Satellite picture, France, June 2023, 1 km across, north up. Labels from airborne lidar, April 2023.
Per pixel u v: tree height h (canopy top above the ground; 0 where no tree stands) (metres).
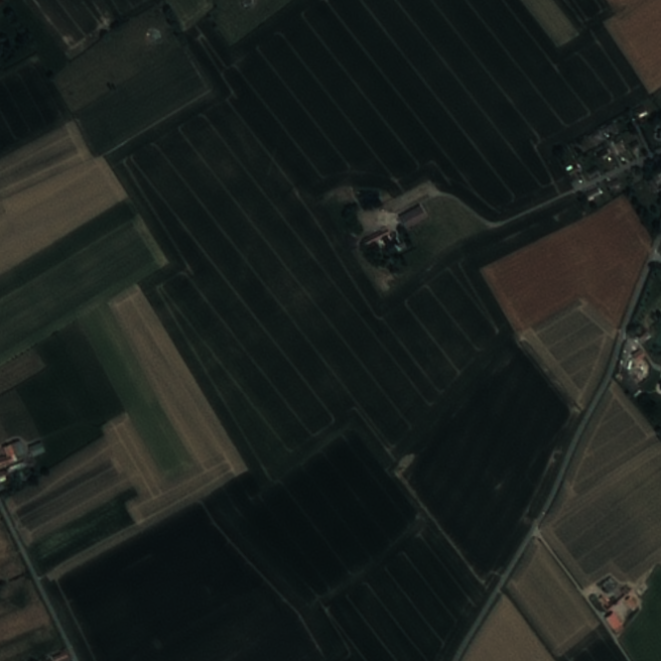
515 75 0
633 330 13
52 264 0
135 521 0
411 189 0
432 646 0
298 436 0
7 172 0
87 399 0
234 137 0
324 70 0
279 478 0
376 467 0
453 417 0
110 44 0
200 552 0
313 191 0
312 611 0
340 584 0
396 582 0
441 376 0
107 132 0
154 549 0
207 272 0
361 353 0
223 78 0
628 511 0
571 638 0
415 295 0
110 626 0
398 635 0
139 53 0
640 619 0
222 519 0
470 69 0
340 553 0
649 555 0
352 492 0
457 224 0
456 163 0
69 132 0
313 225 0
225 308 0
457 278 0
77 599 0
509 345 0
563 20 0
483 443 0
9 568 0
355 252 0
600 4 0
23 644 0
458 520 0
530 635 0
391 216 0
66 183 0
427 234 0
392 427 0
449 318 0
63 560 0
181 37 13
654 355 0
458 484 0
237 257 0
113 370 0
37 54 0
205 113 0
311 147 0
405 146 0
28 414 0
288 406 0
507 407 0
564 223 0
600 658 0
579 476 0
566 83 0
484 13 0
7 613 0
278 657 0
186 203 0
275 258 0
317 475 0
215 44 0
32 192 0
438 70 0
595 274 0
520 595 0
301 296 0
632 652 0
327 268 0
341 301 0
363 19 0
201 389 0
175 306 0
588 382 0
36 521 0
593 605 0
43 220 0
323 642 0
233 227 0
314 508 0
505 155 0
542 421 0
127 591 0
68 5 0
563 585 0
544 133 0
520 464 0
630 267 0
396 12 0
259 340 0
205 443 0
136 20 0
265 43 0
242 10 0
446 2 0
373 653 0
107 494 0
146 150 0
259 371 0
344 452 0
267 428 0
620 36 0
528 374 0
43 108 0
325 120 0
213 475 0
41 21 0
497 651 0
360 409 0
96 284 0
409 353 0
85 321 0
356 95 0
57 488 0
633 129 14
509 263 0
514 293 0
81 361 0
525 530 0
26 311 0
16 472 8
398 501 0
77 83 0
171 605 0
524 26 0
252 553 0
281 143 0
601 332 0
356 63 0
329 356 0
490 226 0
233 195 0
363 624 0
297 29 0
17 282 0
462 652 0
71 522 0
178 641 0
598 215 0
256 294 0
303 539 0
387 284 0
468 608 0
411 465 0
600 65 0
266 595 0
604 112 0
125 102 0
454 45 0
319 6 0
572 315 0
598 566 0
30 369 0
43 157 0
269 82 0
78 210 0
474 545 0
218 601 0
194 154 0
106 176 0
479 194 0
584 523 0
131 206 0
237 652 0
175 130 0
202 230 0
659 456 0
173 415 0
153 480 0
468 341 0
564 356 0
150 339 0
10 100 0
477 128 0
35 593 0
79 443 0
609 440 0
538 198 0
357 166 0
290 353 0
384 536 0
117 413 0
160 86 0
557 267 0
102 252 0
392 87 0
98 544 0
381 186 0
